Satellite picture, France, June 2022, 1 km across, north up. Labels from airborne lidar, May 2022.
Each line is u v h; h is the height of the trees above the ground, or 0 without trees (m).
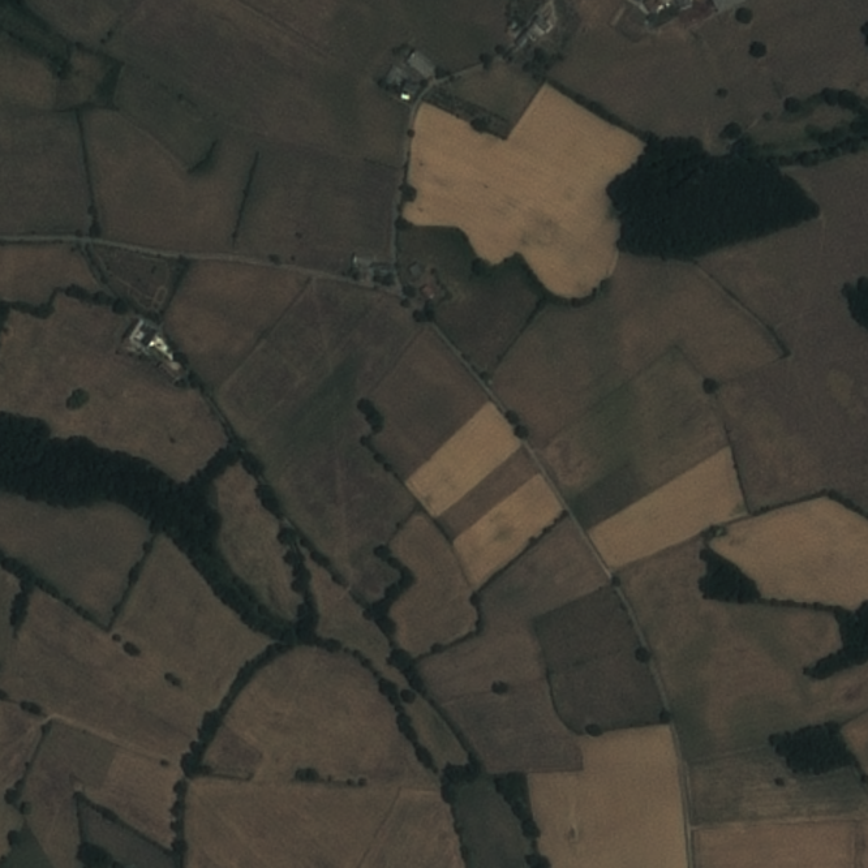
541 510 0
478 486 0
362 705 0
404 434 0
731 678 0
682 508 0
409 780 0
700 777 0
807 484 0
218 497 0
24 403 0
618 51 0
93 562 0
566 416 0
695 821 0
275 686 0
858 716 0
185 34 0
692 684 0
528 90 0
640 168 17
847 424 0
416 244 0
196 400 0
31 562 0
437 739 0
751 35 0
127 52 0
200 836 0
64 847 0
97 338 0
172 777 0
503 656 0
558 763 0
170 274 0
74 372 0
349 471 0
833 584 0
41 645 0
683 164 9
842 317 0
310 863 0
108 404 0
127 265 0
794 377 0
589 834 0
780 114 0
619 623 0
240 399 0
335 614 0
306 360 0
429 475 0
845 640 7
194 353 0
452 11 0
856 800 0
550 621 0
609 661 0
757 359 0
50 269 0
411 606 0
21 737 0
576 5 0
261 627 15
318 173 0
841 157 9
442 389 0
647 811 0
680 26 0
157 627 0
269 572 0
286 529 12
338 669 0
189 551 10
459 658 0
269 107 0
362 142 0
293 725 0
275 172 0
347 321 0
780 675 0
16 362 0
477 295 0
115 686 0
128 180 0
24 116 0
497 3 0
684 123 0
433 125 0
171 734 0
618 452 0
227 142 0
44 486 12
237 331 0
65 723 0
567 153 0
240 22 0
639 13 0
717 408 0
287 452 0
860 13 0
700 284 0
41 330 0
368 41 0
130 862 0
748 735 0
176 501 19
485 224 0
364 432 0
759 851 0
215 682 0
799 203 16
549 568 0
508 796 12
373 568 0
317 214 0
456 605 0
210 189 0
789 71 0
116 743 0
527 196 0
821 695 0
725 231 14
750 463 0
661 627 0
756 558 0
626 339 0
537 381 0
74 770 0
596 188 0
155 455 0
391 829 0
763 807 0
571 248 0
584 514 0
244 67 0
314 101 0
